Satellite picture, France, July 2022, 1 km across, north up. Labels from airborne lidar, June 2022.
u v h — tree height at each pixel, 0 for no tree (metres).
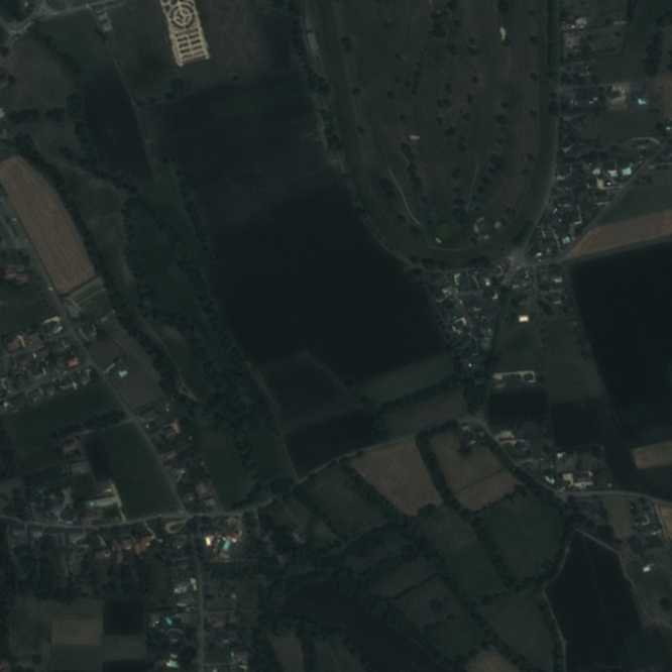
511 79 0
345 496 0
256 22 0
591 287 0
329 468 9
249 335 0
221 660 0
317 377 0
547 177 0
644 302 0
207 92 0
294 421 0
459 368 18
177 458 6
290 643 0
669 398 0
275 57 0
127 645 0
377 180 0
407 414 0
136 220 0
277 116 0
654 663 0
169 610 8
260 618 10
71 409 0
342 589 22
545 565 0
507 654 18
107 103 0
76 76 16
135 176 0
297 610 0
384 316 0
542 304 13
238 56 0
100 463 0
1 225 0
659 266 0
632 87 0
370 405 13
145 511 0
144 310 14
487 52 0
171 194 0
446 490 16
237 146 0
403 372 0
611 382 0
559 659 20
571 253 0
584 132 0
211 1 0
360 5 0
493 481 0
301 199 0
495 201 0
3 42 0
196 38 0
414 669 0
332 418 0
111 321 0
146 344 18
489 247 0
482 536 13
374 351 0
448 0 0
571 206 0
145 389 0
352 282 0
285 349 0
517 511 0
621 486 0
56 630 0
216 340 0
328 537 0
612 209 0
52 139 0
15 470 6
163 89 0
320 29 0
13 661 6
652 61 16
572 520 14
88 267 0
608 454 0
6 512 8
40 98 0
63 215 0
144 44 0
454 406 0
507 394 0
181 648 10
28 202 0
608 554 0
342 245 0
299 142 0
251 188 0
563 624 0
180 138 0
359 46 0
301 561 29
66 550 6
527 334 0
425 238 0
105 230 0
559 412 0
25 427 0
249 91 0
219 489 0
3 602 19
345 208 0
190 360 0
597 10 0
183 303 0
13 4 8
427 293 7
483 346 17
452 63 0
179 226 0
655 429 0
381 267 0
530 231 15
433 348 0
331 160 0
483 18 0
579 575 0
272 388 0
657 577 0
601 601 0
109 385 0
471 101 9
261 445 0
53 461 0
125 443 0
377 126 0
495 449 17
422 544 16
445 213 0
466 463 0
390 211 0
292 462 0
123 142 0
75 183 0
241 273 0
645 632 0
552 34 16
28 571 15
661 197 0
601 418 0
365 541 18
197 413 23
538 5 0
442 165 0
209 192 0
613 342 0
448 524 0
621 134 0
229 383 22
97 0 0
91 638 0
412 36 0
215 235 0
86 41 0
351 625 0
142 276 25
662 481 0
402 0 0
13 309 0
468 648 0
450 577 15
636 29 0
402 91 0
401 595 8
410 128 0
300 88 0
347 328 0
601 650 0
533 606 0
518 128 0
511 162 0
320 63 0
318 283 0
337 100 0
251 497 16
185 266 23
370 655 0
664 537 0
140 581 10
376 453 0
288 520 0
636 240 0
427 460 16
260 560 13
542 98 0
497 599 9
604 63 0
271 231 0
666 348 0
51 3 0
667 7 0
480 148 0
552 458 7
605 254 0
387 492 0
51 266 0
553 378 0
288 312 0
